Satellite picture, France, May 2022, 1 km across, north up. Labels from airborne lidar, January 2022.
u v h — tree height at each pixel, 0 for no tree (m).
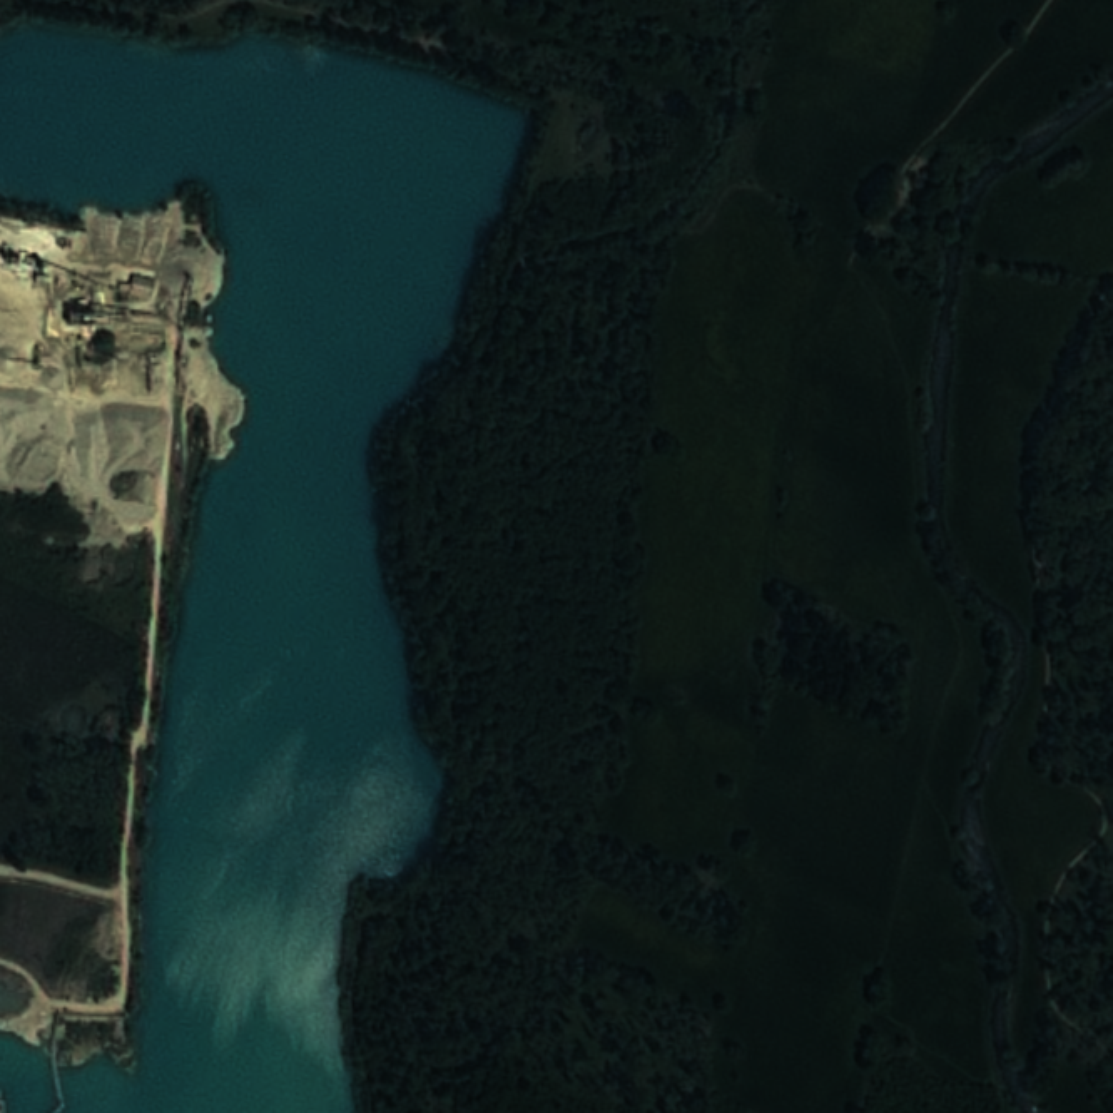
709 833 0
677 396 0
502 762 23
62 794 24
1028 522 15
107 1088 0
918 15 0
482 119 0
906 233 21
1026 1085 13
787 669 28
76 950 0
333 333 0
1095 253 0
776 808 0
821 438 0
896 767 0
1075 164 20
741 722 0
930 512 16
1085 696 34
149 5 19
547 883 19
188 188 7
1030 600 0
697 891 22
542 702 23
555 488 22
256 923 0
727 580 0
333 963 0
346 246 0
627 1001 29
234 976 0
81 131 0
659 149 23
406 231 0
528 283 27
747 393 0
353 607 0
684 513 0
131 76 0
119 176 0
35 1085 0
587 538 21
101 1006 0
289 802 0
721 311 0
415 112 0
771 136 0
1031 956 0
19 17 9
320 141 0
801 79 0
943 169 12
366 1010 10
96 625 0
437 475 17
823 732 0
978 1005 0
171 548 0
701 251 0
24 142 0
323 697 0
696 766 0
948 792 0
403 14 17
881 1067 6
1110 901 32
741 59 9
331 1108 0
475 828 28
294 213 0
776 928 0
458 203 0
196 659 0
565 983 24
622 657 12
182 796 0
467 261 0
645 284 18
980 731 0
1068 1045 34
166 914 0
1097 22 0
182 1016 0
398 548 29
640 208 17
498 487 24
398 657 0
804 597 16
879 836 0
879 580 0
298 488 0
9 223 0
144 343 0
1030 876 0
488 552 22
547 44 6
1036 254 0
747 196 0
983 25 0
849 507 0
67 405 0
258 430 0
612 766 19
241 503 0
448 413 26
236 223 0
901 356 0
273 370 0
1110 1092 16
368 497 0
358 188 0
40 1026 0
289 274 0
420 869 17
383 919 14
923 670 0
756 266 0
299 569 0
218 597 0
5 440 0
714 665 0
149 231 0
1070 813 0
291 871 0
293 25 11
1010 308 0
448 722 20
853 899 0
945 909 0
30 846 20
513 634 19
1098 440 22
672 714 0
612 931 0
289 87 0
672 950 0
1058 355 0
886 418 0
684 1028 22
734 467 0
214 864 0
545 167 0
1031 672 0
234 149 0
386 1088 7
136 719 9
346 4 17
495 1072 18
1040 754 11
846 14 0
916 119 0
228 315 0
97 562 0
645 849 0
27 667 0
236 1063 0
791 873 0
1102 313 16
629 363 24
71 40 0
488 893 23
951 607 0
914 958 0
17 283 0
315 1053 0
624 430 27
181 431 0
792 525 0
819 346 0
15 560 0
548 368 22
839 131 0
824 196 0
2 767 0
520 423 9
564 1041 33
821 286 0
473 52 14
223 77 0
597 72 7
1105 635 33
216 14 0
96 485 0
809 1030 0
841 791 0
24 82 0
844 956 0
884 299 0
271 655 0
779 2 6
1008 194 0
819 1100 0
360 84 0
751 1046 0
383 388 0
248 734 0
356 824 0
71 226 10
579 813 20
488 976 17
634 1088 35
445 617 21
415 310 0
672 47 17
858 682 15
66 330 0
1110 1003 30
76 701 0
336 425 0
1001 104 0
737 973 0
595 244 19
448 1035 12
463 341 9
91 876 16
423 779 0
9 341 0
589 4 12
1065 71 0
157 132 0
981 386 0
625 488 17
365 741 0
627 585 22
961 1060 0
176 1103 0
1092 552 26
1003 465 0
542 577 21
